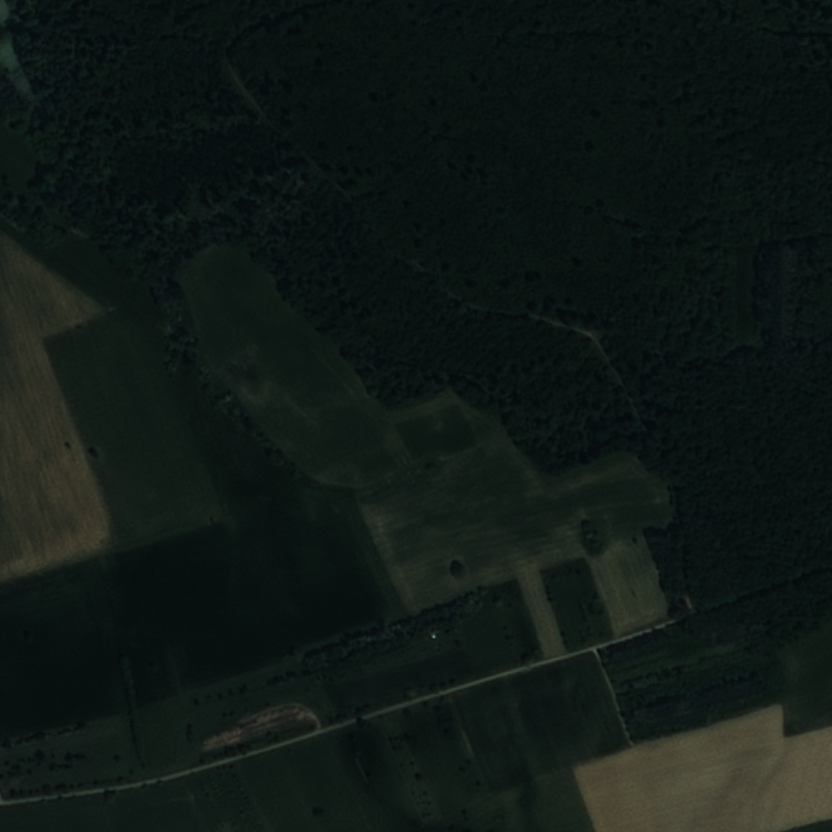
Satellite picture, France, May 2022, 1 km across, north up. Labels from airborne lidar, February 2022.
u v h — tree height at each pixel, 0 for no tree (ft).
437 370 42
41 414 0
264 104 30
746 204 32
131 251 107
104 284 0
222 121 105
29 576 0
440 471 0
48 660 0
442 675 0
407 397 33
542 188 45
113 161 39
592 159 44
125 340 0
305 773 0
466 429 0
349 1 47
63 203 40
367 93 39
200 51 43
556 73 48
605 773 0
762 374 66
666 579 64
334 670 31
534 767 0
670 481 49
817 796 0
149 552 0
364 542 0
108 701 0
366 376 72
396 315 33
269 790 0
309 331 0
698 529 71
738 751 0
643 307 59
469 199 40
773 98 35
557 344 32
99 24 39
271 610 0
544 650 0
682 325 43
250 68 30
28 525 0
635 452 44
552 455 80
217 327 0
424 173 39
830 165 32
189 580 0
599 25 55
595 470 0
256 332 0
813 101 42
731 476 77
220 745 0
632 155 46
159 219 110
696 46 38
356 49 47
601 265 47
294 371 0
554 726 0
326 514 0
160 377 0
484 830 0
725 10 36
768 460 73
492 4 40
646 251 45
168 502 0
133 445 0
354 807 0
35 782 0
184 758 0
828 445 84
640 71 38
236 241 70
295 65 31
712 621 54
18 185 0
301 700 0
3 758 0
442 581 0
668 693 22
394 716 0
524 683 0
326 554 0
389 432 0
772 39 32
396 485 0
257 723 0
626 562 0
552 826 0
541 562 0
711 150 43
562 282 45
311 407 0
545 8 49
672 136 44
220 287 0
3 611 0
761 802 0
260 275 0
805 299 23
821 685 0
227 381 0
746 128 33
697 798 0
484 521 0
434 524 0
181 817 0
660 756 0
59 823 0
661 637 51
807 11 120
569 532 0
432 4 47
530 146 45
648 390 95
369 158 52
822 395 75
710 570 55
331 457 0
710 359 48
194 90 28
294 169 98
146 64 39
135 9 58
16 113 91
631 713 51
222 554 0
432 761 0
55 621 0
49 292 0
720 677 26
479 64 43
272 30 105
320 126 46
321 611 0
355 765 0
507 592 0
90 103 64
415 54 47
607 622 0
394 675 0
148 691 0
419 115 43
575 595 0
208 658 0
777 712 0
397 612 0
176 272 31
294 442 0
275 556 0
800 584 78
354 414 0
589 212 60
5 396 0
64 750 0
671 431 78
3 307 0
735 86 36
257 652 0
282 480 0
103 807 0
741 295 0
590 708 0
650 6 63
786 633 78
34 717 0
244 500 0
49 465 0
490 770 0
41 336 0
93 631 0
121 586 0
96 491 0
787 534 68
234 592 0
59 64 92
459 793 0
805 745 0
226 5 55
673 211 57
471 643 0
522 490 0
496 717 0
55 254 0
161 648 0
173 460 0
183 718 0
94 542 0
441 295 37
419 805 0
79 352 0
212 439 0
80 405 0
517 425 70
